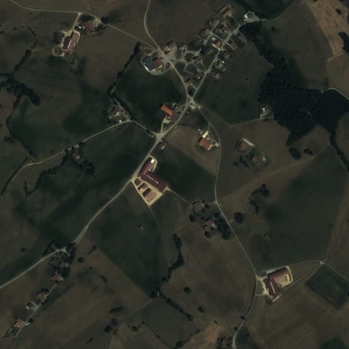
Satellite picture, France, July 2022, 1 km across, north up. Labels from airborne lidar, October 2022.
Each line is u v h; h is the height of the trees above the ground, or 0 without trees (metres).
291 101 12
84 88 0
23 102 0
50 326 0
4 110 0
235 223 0
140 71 0
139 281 0
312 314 0
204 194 0
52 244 8
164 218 0
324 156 0
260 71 0
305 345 0
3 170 0
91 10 0
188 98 0
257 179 0
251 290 0
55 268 10
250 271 0
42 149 0
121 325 0
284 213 0
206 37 0
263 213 0
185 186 0
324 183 0
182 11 0
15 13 0
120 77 12
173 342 0
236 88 0
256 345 0
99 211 0
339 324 0
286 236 0
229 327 0
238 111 0
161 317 0
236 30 0
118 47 0
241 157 13
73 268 0
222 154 0
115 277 0
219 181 0
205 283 0
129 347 0
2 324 0
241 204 0
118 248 0
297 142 0
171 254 0
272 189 0
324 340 0
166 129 0
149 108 0
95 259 0
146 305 0
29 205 0
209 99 0
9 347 0
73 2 0
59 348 0
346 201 0
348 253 0
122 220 0
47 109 0
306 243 0
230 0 0
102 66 0
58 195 0
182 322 0
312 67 0
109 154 0
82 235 0
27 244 0
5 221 0
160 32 0
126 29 0
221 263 0
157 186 0
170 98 0
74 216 0
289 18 0
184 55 0
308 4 0
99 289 0
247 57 0
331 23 0
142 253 0
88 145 0
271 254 0
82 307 0
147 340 0
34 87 0
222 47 0
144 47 0
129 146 0
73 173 0
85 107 0
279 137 0
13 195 0
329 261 0
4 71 0
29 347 0
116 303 0
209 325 0
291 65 0
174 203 0
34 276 0
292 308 0
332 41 0
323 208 0
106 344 0
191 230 0
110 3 0
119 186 0
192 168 0
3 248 0
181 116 0
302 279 0
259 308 0
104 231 0
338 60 0
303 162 0
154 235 0
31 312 0
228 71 0
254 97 0
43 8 0
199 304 0
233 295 0
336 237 0
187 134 0
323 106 10
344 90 0
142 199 0
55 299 0
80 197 0
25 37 0
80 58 0
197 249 0
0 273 0
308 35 0
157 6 0
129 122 0
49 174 12
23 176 0
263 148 0
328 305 0
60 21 0
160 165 0
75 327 0
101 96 0
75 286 0
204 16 0
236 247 0
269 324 0
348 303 0
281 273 0
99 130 0
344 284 0
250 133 0
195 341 0
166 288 0
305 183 0
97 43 0
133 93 0
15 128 0
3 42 0
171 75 0
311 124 12
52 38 0
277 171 0
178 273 0
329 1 0
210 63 0
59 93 0
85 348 0
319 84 0
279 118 19
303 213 0
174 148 0
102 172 0
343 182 0
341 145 0
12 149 0
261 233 0
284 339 0
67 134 0
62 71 0
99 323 0
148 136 0
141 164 0
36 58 0
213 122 0
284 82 11
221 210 0
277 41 0
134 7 0
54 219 0
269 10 0
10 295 0
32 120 0
